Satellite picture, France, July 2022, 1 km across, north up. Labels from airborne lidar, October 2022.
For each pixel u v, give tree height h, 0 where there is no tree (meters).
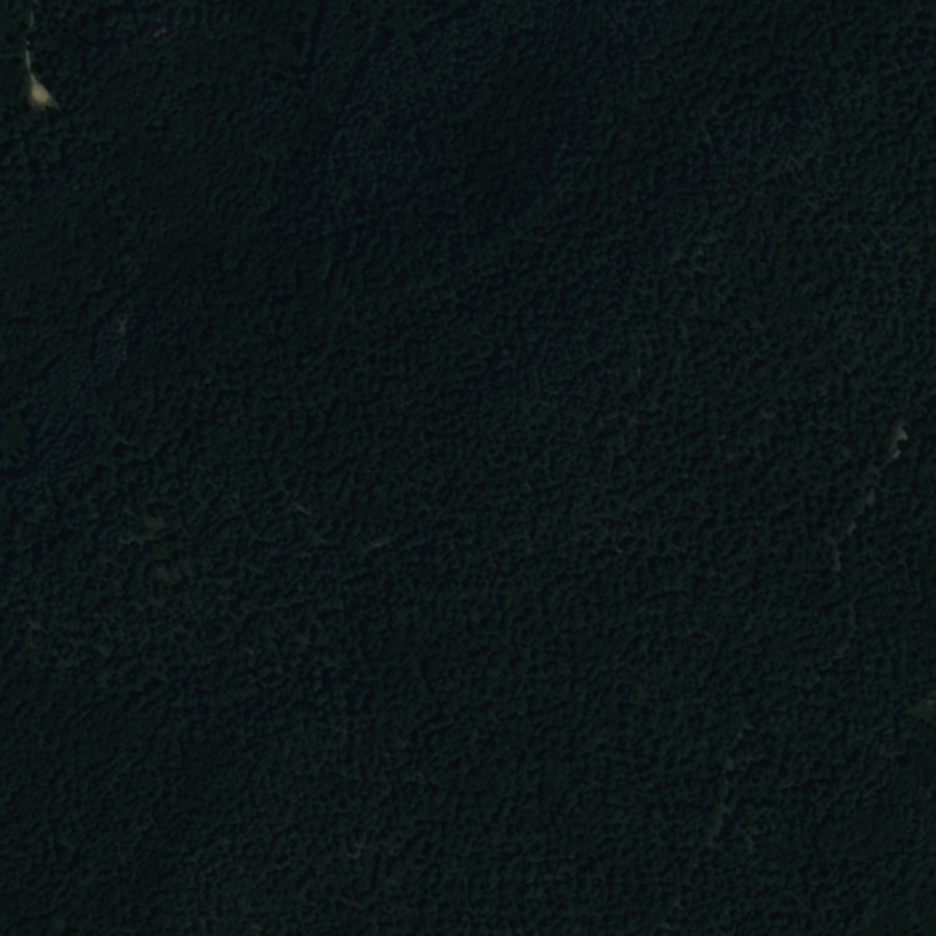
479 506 22
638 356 28
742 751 19
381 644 23
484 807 25
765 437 24
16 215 14
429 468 18
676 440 22
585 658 27
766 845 13
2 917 27
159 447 7
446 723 30
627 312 28
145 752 7
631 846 10
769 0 22
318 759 15
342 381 24
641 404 29
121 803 15
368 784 22
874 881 24
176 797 10
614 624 21
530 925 23
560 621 21
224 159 31
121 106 31
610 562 13
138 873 15
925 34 19
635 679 27
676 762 25
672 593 11
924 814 32
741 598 19
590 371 17
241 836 25
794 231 7
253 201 21
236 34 28
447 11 29
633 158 8
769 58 7
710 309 24
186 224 31
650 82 21
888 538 26
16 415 22
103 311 31
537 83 20
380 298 17
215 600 24
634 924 25
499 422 9
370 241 31
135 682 28
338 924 18
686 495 25
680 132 21
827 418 24
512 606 20
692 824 28
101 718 24
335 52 26
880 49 16
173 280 27
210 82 25
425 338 20
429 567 19
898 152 20
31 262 21
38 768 21
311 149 17
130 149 31
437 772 24
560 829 22
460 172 31
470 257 27
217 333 27
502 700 23
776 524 27
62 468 30
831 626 16
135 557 16
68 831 31
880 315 23
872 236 13
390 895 25
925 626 32
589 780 25
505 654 26
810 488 24
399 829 22
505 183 16
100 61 28
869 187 21
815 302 18
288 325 18
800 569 7
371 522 20
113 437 26
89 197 20
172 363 30
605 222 18
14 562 30
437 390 22
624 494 27
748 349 14
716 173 17
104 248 20
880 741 24
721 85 25
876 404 7
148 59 35
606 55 25
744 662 8
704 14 24
